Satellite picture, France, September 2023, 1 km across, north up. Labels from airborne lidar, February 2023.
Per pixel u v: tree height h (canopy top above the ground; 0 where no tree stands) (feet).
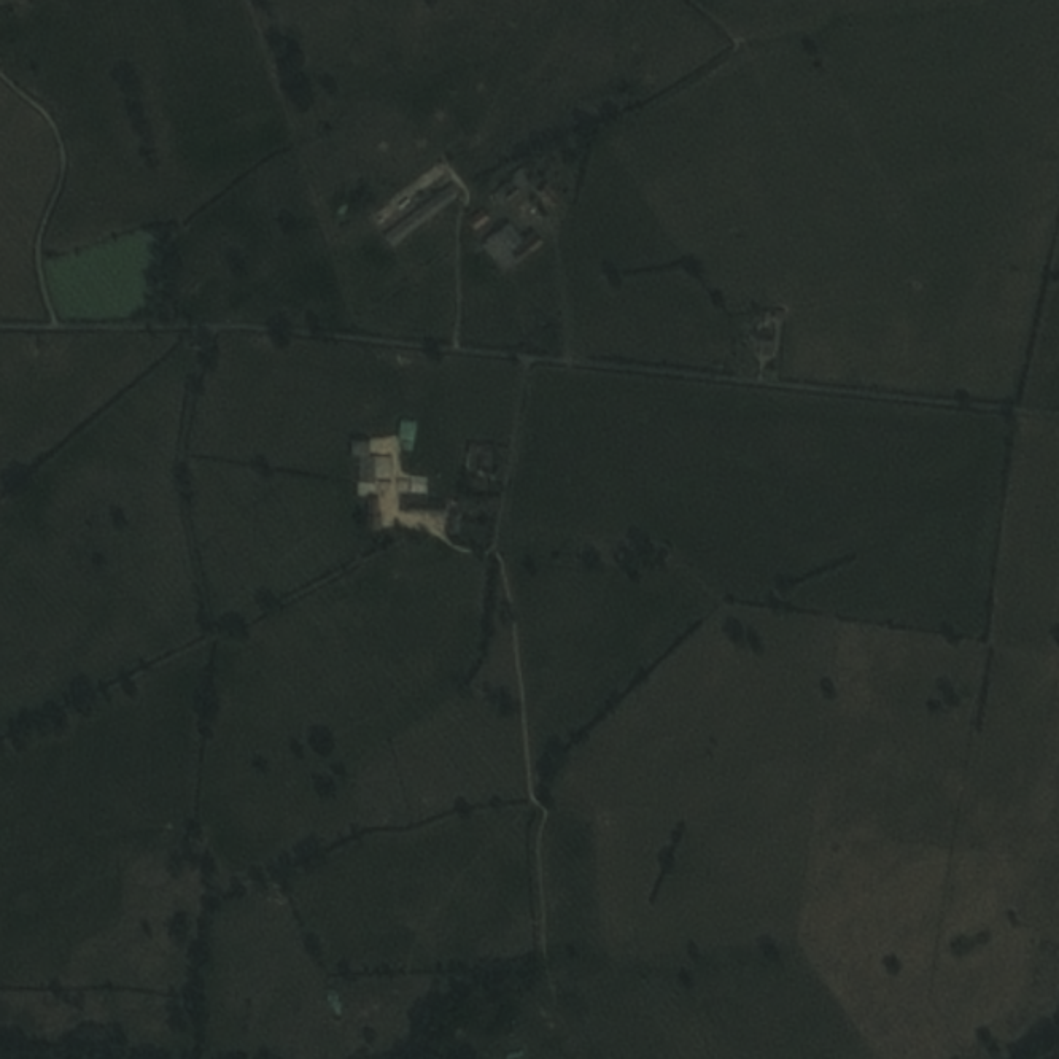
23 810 0
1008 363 0
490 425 0
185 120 0
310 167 0
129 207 0
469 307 0
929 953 0
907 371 0
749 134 0
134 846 0
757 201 0
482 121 0
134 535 0
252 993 0
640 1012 0
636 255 0
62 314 0
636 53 0
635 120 0
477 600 0
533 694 0
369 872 0
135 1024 0
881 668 0
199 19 0
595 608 0
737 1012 0
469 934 0
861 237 0
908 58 0
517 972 47
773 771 0
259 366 0
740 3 0
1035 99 0
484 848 0
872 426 0
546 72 0
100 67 0
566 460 0
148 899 0
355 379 0
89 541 0
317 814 0
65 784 0
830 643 0
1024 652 0
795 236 0
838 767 0
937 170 0
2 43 0
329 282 0
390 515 0
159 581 0
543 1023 0
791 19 0
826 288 0
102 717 0
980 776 0
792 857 0
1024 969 0
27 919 0
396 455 0
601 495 0
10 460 0
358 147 0
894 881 0
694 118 0
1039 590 0
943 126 0
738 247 0
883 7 0
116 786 0
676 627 0
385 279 0
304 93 72
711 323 0
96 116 0
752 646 50
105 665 0
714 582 0
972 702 0
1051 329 0
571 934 0
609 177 0
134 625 0
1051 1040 62
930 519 0
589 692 0
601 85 0
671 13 0
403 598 0
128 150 0
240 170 0
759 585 0
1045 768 0
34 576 0
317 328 58
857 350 0
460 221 0
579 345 0
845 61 0
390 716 0
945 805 0
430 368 0
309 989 0
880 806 0
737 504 0
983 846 0
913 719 0
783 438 0
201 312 0
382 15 0
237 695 0
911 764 0
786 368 0
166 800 0
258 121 0
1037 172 0
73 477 0
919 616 0
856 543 0
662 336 0
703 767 0
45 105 0
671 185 0
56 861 0
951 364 0
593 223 0
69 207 0
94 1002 0
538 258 0
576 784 0
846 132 0
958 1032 0
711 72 0
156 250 29
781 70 0
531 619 0
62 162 0
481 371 0
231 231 0
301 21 0
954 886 0
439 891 0
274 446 0
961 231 0
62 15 0
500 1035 0
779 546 0
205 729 32
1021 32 0
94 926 0
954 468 0
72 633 0
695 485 0
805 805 0
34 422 0
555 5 0
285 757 0
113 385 0
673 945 0
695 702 0
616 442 0
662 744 0
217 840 0
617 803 0
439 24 0
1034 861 0
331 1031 0
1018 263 0
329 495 0
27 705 0
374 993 0
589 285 0
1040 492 0
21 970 0
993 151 0
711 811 0
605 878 0
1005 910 0
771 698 0
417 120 0
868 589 0
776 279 0
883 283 0
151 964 0
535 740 0
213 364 41
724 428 0
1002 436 0
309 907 0
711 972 0
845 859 0
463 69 0
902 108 0
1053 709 0
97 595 0
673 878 0
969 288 0
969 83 0
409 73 0
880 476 0
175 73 0
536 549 0
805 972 0
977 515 0
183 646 0
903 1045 0
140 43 0
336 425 0
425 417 0
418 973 0
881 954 0
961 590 0
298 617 0
